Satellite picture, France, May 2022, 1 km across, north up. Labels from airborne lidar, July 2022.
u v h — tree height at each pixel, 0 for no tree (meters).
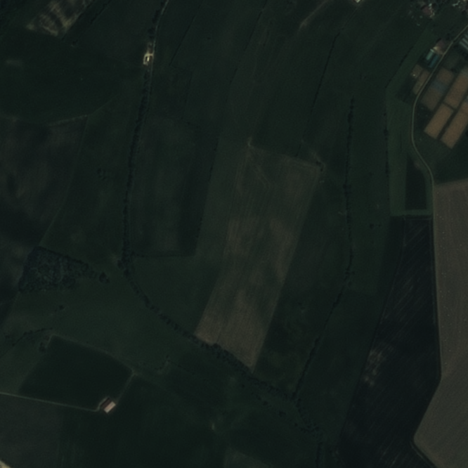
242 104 0
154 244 0
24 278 17
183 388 0
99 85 0
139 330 0
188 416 0
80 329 0
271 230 0
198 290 0
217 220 0
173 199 0
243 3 0
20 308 0
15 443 0
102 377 0
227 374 0
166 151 0
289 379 0
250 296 0
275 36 0
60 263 28
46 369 0
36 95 0
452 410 0
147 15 0
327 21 0
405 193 0
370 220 0
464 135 0
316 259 0
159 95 0
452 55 0
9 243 0
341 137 0
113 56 0
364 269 0
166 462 0
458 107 0
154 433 0
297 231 0
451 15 0
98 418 0
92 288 0
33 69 0
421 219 0
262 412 0
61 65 0
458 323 0
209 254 0
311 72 0
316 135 0
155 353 0
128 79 0
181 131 0
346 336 0
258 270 0
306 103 0
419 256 0
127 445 0
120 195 0
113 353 0
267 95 0
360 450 0
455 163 0
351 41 0
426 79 0
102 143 0
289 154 0
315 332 0
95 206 0
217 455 0
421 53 0
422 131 0
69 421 0
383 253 0
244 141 0
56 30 0
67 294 0
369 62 0
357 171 0
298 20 0
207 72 0
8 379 0
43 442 0
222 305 0
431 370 0
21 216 0
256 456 0
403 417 0
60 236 0
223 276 0
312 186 0
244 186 0
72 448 0
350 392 0
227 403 0
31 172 0
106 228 0
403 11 0
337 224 0
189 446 0
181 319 0
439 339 0
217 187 0
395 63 0
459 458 0
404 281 0
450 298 0
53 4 0
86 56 0
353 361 0
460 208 0
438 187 0
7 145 0
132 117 0
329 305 0
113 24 0
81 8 0
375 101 0
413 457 0
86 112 0
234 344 0
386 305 0
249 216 0
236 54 0
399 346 0
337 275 0
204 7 0
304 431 10
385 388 0
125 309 0
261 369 0
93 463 0
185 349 0
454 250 0
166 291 0
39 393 0
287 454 0
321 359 0
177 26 0
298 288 0
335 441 0
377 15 0
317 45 0
